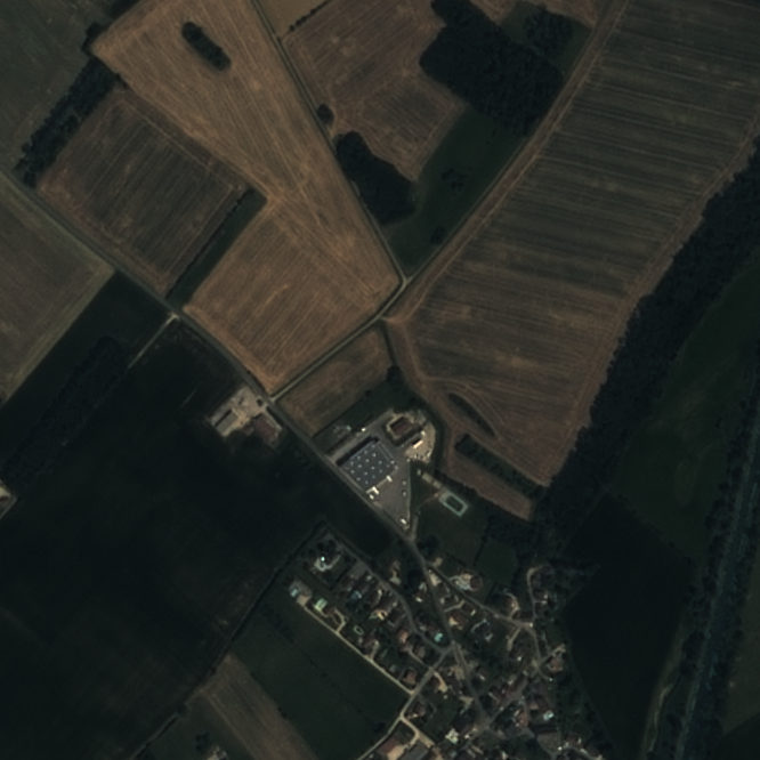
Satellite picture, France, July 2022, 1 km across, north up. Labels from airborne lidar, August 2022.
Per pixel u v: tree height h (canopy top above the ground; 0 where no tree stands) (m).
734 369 0
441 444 0
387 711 0
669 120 0
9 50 0
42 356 0
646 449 0
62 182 0
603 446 21
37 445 20
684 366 0
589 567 11
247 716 0
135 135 0
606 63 0
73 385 16
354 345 0
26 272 0
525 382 0
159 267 0
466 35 23
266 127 0
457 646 0
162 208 0
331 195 0
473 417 8
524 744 0
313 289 0
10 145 0
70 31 0
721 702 32
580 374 0
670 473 0
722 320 0
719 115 0
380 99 0
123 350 19
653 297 12
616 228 0
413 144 0
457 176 9
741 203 23
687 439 0
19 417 0
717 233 26
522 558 15
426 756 0
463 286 0
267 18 0
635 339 23
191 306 0
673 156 0
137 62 0
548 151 0
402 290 0
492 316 0
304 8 0
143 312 0
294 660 0
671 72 0
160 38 0
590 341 0
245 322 0
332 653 0
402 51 0
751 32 0
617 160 0
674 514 0
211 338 0
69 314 0
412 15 0
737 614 17
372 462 0
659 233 0
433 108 0
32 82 0
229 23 0
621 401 23
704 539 0
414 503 0
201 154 0
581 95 0
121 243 0
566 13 0
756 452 0
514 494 0
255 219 0
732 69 0
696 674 11
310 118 0
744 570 17
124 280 0
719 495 0
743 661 0
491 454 7
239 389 0
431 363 0
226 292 0
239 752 0
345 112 0
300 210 0
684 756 0
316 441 0
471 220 0
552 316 0
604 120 0
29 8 0
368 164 14
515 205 0
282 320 0
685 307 18
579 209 0
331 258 0
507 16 0
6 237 0
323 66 0
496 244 0
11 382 0
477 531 0
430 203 0
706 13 0
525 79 17
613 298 0
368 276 0
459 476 0
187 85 0
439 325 0
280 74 0
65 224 0
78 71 0
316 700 0
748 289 0
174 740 0
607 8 0
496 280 0
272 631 0
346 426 0
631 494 0
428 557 12
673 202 0
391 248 0
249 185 0
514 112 25
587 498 14
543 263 0
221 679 0
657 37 0
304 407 0
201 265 0
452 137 0
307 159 0
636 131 0
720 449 0
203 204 0
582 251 0
